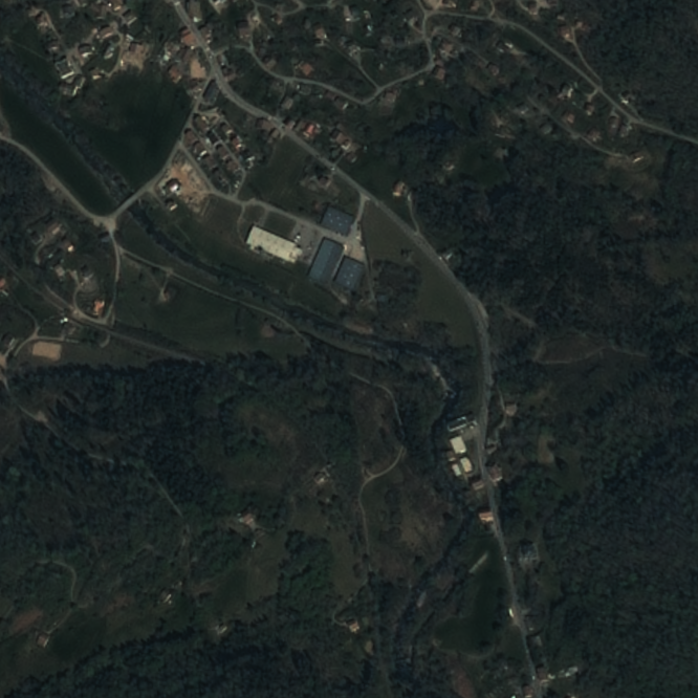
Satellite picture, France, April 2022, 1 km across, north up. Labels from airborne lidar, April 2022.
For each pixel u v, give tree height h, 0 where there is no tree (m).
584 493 0
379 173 0
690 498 23
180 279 0
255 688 21
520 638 0
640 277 10
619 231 0
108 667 23
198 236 0
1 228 19
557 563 16
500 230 27
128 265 0
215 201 0
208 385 21
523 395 9
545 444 0
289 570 18
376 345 0
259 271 0
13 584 8
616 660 16
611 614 23
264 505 0
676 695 17
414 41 0
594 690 16
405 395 7
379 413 0
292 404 17
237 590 0
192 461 23
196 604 11
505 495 11
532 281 7
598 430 13
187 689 10
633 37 16
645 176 0
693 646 19
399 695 13
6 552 22
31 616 0
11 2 0
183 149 0
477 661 0
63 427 25
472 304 0
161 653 25
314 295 0
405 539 0
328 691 29
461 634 0
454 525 30
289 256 0
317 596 15
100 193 0
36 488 10
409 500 0
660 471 25
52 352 0
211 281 0
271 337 0
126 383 25
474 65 14
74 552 18
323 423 20
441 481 17
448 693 24
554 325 30
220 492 22
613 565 25
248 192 0
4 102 0
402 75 0
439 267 0
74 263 0
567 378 0
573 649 17
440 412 15
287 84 0
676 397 23
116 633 0
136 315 0
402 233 0
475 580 17
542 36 8
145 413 15
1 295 0
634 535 24
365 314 0
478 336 0
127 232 0
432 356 0
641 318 12
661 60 12
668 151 15
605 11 11
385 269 13
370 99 0
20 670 0
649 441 10
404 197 0
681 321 32
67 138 8
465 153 0
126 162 0
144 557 7
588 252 12
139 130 0
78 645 0
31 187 14
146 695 23
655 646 20
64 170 0
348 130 0
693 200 26
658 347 24
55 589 14
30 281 0
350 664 9
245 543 9
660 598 29
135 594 21
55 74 0
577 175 20
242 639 15
